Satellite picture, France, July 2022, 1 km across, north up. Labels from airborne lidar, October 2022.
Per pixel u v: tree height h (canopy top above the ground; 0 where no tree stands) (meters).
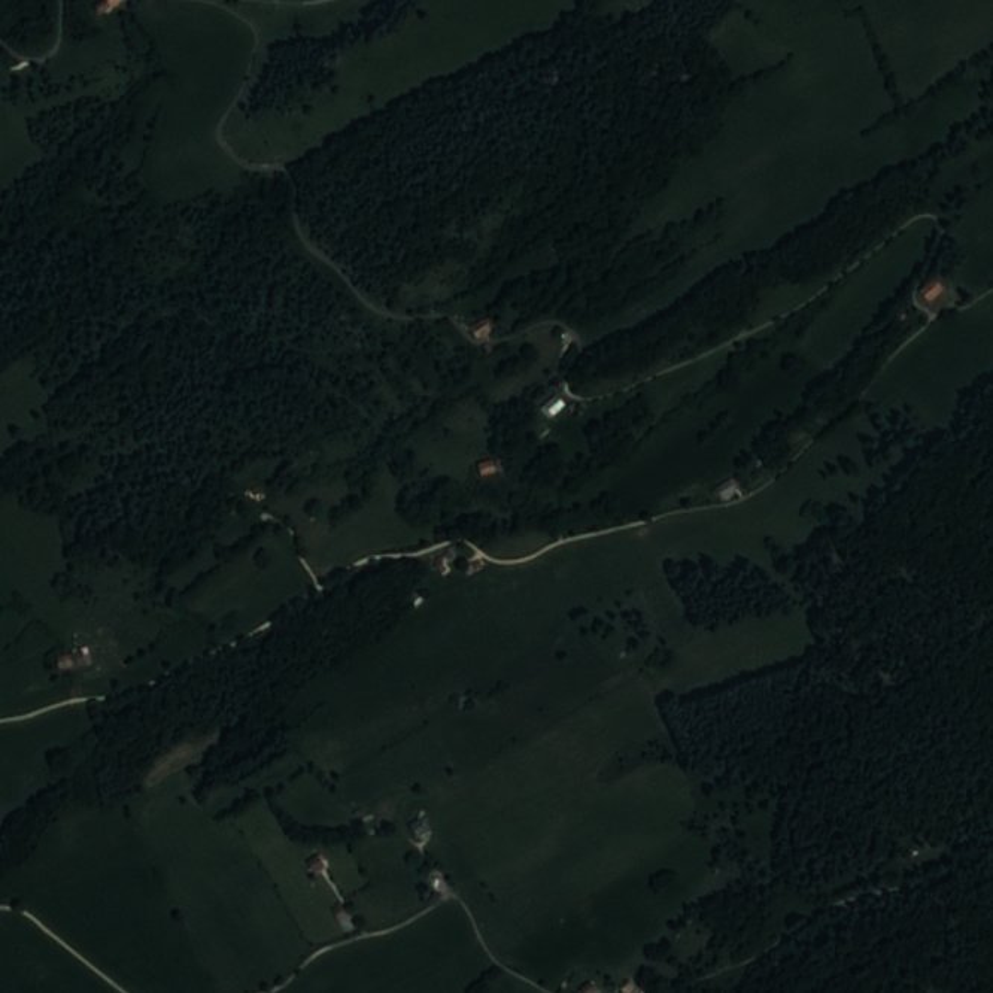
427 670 0
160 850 0
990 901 22
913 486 28
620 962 0
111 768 19
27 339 16
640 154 13
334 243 8
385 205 8
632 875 0
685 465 0
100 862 0
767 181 0
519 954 0
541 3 0
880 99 0
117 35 0
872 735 21
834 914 10
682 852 0
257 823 0
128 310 24
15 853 20
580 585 0
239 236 29
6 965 0
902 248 0
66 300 17
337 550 0
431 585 0
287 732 23
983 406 21
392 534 0
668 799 0
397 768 0
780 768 17
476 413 0
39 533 0
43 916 0
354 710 0
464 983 0
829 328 0
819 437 6
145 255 8
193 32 0
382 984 0
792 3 0
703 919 15
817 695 25
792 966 22
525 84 8
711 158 0
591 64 22
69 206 8
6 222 8
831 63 0
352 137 25
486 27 0
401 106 23
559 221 22
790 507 0
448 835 0
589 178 20
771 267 19
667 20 28
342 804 0
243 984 0
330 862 0
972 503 27
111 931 0
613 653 0
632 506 0
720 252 0
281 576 0
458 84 26
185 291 7
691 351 8
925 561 24
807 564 24
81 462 18
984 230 0
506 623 0
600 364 14
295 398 17
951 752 19
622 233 15
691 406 12
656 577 0
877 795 22
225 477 13
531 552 0
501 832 0
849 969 13
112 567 9
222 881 0
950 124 0
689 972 11
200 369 12
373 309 0
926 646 22
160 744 21
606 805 0
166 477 15
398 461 19
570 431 0
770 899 21
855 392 16
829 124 0
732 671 0
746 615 25
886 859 11
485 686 0
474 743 0
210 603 0
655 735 0
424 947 0
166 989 0
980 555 23
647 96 15
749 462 21
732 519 0
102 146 24
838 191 0
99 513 21
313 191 19
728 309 19
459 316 0
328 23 0
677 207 0
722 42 0
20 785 0
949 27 0
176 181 0
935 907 19
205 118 0
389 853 0
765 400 0
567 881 0
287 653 13
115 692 6
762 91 0
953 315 12
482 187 13
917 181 25
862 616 29
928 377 0
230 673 12
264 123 0
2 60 5
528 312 8
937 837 21
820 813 24
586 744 0
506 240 6
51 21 12
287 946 0
